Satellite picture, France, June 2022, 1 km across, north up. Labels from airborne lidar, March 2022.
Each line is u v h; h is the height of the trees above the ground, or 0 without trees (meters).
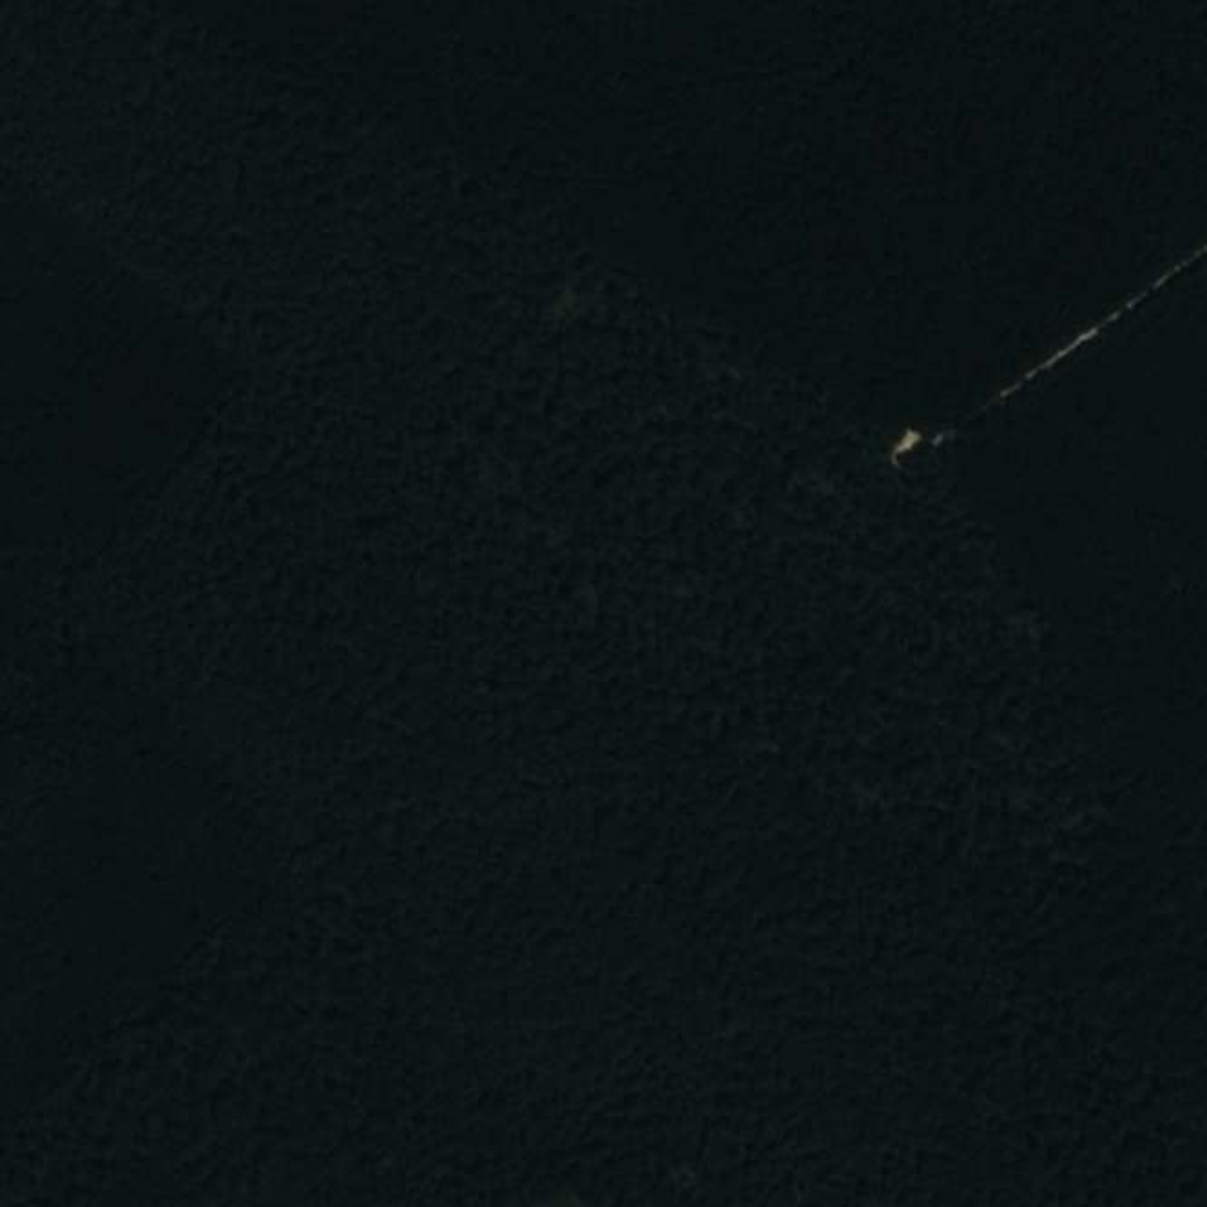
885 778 19
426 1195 19
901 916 20
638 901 19
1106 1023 20
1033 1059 22
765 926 19
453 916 22
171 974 17
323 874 23
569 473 22
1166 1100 22
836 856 21
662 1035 21
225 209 21
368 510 6
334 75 22
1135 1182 22
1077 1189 23
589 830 22
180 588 23
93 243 10
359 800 21
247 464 22
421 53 21
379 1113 19
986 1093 23
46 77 19
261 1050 21
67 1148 6
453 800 21
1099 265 18
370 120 23
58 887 7
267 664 20
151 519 26
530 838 22
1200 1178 23
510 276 20
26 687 17
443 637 21
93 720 15
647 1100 18
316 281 18
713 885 23
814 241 23
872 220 22
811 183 22
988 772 8
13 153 17
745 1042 22
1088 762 24
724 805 17
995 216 23
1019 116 22
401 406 22
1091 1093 22
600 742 21
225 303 20
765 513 20
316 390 22
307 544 23
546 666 25
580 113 20
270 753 10
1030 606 22
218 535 21
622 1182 18
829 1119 18
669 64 19
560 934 21
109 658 19
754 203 21
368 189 22
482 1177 27
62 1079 17
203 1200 20
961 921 21
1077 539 14
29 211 8
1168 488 13
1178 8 26
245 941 22
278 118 20
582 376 20
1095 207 20
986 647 20
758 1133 16
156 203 21
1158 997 25
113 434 11
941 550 23
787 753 21
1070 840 25
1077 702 23
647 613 21
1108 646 12
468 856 18
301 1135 19
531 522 21
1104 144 21
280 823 16
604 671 22
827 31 23
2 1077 10
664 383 20
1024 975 24
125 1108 19
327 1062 19
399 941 22
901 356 20
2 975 7
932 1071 17
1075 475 13
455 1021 17
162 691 17
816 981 18
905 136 22
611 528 19
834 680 19
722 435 19
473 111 21
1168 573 12
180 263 19
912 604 24
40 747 15
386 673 23
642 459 21
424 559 21
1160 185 18
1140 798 24
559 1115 19
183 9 18
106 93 18
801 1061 18
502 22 17
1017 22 23
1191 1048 23
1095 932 25
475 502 19
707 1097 14
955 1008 19
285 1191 20
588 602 24
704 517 21
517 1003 16
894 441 11
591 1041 16
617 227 17
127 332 9
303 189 23
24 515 10
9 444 9
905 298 20
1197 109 19
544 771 19
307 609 23
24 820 12
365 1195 20
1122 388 12
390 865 19
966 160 25
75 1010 13
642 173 20
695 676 20
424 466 20
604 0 21
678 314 21
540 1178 24
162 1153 25
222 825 7
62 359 9
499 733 17
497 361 22
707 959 19
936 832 26
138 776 8
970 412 19
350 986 25
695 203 19
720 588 18
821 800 22
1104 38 26
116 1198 21
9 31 17
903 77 24
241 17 22
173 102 20
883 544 21
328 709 22
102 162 21
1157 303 12
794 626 20
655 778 17
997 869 24
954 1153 22
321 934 17
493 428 23
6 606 19
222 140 17
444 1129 20
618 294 22
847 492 21
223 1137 19
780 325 19
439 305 22
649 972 18
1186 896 26
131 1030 20
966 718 22
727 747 24
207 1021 26
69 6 18
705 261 20
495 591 23
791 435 21
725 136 20
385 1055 20
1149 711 12
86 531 12
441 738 22
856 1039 19
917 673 22
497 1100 23
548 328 20
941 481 20
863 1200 19
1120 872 25
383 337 21
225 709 19
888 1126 19
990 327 19
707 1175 23
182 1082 19
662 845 20
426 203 21
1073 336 14
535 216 18
